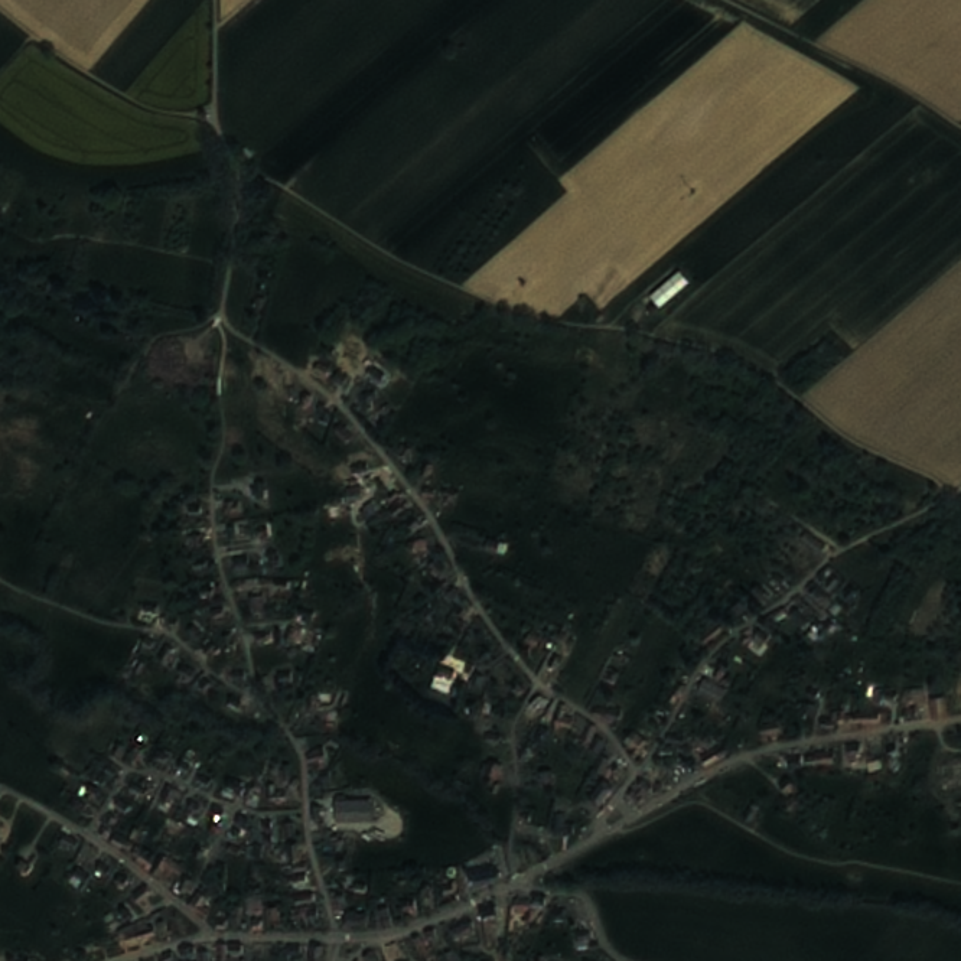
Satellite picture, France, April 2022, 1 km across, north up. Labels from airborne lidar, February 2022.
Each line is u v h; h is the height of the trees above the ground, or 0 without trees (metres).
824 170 0
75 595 0
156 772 0
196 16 0
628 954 0
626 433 6
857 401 0
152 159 0
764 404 16
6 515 0
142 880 0
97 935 0
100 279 0
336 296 0
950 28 0
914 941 0
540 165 0
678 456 0
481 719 0
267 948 0
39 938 0
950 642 7
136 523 0
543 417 0
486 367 0
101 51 0
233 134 0
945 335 0
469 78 0
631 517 0
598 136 0
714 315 0
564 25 0
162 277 0
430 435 0
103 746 0
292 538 0
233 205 25
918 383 0
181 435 0
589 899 0
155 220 0
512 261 0
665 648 0
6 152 0
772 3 0
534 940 0
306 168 0
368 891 6
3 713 0
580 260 0
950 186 0
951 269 0
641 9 0
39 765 0
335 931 0
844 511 7
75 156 0
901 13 0
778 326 0
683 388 0
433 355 20
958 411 0
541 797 0
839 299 0
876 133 0
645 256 0
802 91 0
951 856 0
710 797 0
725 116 0
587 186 0
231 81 0
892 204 0
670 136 0
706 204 0
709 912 0
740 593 7
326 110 0
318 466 0
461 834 0
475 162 0
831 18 0
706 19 0
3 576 0
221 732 14
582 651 0
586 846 0
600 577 0
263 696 19
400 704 0
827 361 7
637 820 0
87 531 0
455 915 0
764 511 11
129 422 0
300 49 0
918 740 7
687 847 0
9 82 0
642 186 0
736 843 0
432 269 0
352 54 0
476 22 0
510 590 0
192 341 0
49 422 0
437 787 19
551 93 0
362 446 0
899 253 0
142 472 0
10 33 0
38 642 21
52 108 0
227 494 0
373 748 14
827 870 0
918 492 0
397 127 0
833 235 0
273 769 6
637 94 0
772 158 0
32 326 20
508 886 0
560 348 0
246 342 0
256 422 0
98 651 0
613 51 0
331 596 0
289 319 0
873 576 0
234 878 0
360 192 0
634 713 0
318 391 0
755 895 19
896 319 0
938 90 0
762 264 0
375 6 0
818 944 0
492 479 0
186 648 0
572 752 13
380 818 0
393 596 0
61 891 0
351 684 0
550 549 14
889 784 0
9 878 0
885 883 0
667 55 0
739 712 11
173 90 0
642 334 15
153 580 0
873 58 0
